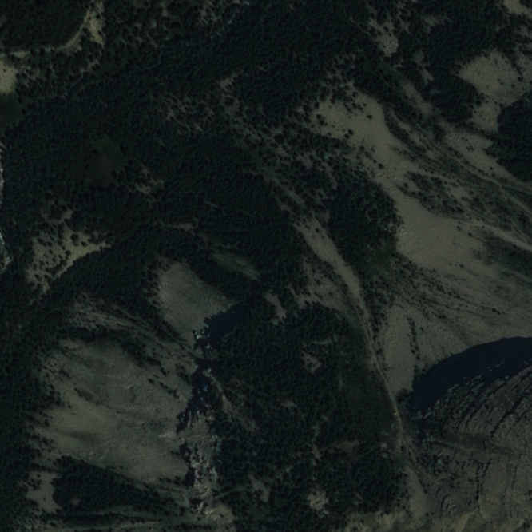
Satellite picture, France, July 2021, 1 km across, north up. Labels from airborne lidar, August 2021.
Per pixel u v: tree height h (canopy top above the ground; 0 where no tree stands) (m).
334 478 10
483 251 0
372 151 0
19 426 8
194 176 22
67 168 23
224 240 15
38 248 0
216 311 0
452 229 0
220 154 18
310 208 7
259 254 22
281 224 13
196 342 0
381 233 14
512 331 0
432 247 0
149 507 15
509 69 0
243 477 13
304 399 13
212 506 0
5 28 15
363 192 14
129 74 23
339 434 13
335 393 11
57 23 22
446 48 11
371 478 9
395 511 0
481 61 0
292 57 18
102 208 19
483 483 0
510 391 0
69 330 8
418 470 0
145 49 16
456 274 0
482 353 0
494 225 0
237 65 22
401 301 0
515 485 0
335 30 16
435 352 0
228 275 14
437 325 0
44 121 21
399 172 0
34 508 7
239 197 16
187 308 0
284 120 16
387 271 0
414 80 20
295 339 13
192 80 18
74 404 0
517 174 12
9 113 0
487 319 0
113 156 0
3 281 18
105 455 0
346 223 16
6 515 7
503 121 12
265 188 19
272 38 24
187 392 0
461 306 0
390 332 0
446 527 0
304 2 16
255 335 13
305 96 11
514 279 0
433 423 7
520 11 0
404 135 6
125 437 0
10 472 19
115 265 23
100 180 0
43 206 12
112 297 18
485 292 0
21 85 9
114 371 0
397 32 15
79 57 24
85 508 10
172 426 0
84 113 23
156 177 17
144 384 0
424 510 0
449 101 13
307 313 12
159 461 0
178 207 22
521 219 7
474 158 0
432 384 0
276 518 14
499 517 0
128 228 17
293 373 12
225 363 15
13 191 20
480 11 13
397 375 0
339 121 0
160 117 20
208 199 21
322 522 8
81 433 0
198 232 16
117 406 0
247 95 19
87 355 0
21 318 13
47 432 0
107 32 20
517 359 0
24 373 19
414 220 0
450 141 0
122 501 13
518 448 0
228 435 9
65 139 23
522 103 9
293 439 8
